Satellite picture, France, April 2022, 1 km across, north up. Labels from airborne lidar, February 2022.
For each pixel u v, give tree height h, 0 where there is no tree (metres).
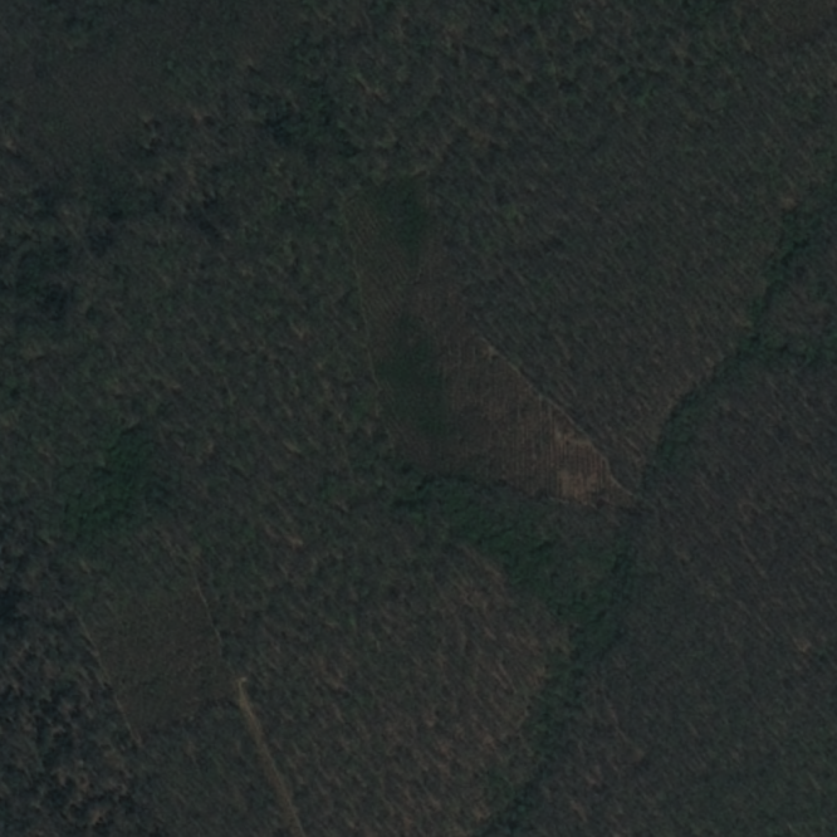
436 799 29
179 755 28
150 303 30
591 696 25
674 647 26
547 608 29
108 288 30
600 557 27
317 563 28
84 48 28
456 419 9
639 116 31
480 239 32
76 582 27
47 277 28
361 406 28
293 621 29
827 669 31
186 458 29
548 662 27
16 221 28
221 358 28
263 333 30
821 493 28
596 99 17
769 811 29
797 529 28
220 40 26
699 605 23
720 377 21
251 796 26
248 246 24
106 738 32
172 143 26
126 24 28
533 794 23
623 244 31
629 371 29
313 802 30
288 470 28
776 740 27
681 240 31
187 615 10
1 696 30
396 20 30
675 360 30
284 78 25
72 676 29
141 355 29
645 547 30
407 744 24
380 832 27
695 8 27
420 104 31
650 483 30
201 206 17
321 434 28
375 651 30
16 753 28
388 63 22
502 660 28
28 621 11
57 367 24
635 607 25
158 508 27
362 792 28
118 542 30
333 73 29
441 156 33
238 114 29
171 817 32
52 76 22
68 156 23
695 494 32
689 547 29
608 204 33
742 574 23
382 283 12
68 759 25
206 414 31
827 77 32
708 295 0
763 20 23
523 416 8
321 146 21
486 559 30
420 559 28
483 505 26
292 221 26
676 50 30
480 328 26
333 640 30
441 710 25
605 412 25
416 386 9
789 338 32
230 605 25
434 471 12
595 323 30
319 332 27
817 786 32
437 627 29
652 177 34
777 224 20
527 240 32
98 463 28
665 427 34
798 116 33
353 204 12
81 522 25
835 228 32
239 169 23
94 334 28
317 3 30
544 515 25
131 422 28
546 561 23
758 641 29
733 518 31
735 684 29
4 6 31
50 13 31
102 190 26
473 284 32
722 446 30
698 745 28
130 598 25
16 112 28
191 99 21
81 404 28
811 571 31
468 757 29
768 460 27
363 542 26
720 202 33
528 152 29
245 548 22
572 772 26
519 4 28
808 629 30
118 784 30
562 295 32
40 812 9
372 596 28
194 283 25
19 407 30
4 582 29
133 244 32
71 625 9
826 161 34
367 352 11
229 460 29
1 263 19
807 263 34
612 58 30
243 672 30
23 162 21
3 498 27
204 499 28
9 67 23
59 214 26
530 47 25
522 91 32
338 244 26
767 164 32
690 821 31
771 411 30
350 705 31
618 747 24
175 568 30
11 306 28
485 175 29
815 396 30
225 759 29
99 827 12
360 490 22
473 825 25
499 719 30
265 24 25
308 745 30
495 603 31
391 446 28
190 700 9
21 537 30
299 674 29
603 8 29
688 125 30
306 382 31
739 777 27
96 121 23
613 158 35
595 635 27
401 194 16
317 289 24
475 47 15
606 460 25
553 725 26
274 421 29
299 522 28
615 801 24
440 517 32
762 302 27
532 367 19
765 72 30
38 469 31
